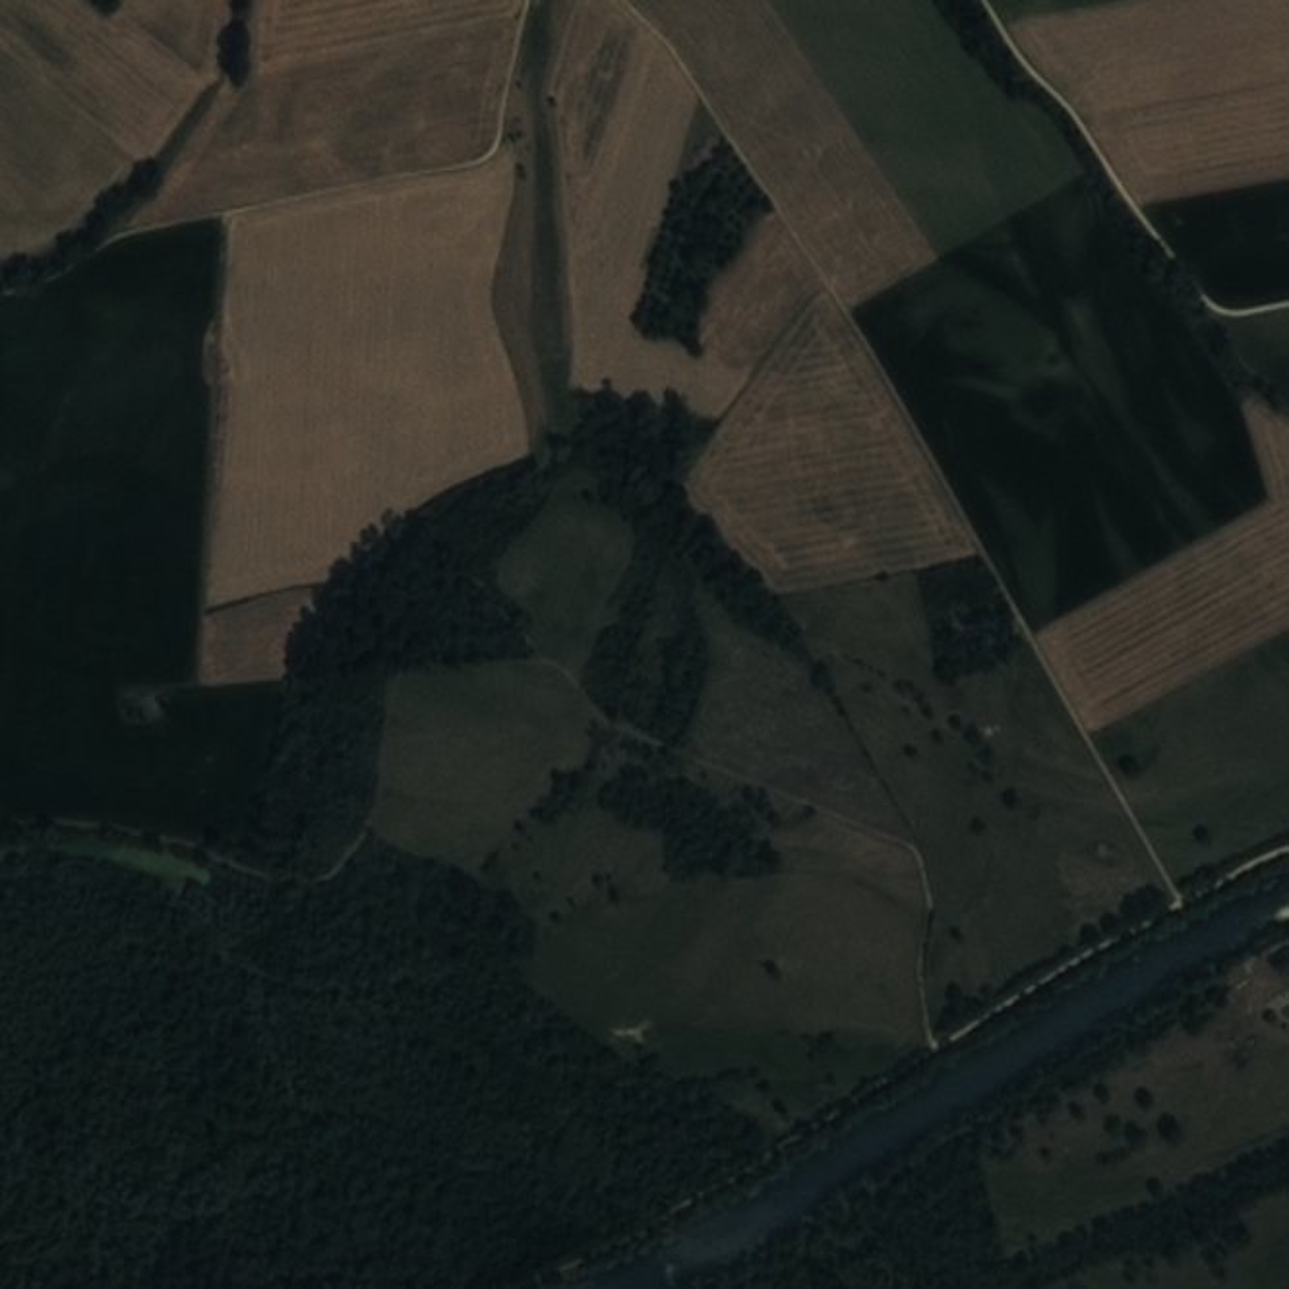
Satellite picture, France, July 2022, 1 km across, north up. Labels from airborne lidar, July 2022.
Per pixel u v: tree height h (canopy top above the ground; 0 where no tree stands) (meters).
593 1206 11
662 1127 8
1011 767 0
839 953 0
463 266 0
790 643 11
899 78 0
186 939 6
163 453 0
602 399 11
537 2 0
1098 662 0
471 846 0
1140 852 0
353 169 0
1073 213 0
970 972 0
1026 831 0
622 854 0
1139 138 0
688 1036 0
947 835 0
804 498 0
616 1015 0
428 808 0
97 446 0
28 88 0
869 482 0
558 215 0
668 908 0
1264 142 0
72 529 0
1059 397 0
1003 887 0
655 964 0
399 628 19
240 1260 16
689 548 9
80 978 10
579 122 0
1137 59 0
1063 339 0
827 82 0
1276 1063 0
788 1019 0
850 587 0
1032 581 0
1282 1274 0
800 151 0
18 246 0
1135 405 0
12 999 6
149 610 0
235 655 0
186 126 0
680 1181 6
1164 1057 0
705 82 0
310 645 27
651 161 0
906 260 0
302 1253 7
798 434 0
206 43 0
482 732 0
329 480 0
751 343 0
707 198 17
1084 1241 16
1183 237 0
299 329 0
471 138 0
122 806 0
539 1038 9
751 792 10
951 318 0
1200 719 0
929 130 0
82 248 18
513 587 0
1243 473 0
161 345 0
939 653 6
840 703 8
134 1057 11
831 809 0
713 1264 0
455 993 9
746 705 0
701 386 0
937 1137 8
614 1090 20
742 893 0
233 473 0
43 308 0
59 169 0
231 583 0
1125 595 0
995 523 0
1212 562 0
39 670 0
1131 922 15
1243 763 0
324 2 0
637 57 0
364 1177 8
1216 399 0
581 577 0
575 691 0
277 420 0
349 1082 7
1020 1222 0
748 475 0
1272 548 0
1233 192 0
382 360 0
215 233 0
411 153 0
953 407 0
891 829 0
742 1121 14
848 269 0
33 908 10
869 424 0
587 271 0
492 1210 10
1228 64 0
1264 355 0
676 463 21
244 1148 10
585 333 0
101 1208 17
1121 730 0
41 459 0
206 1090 16
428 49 0
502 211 0
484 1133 7
